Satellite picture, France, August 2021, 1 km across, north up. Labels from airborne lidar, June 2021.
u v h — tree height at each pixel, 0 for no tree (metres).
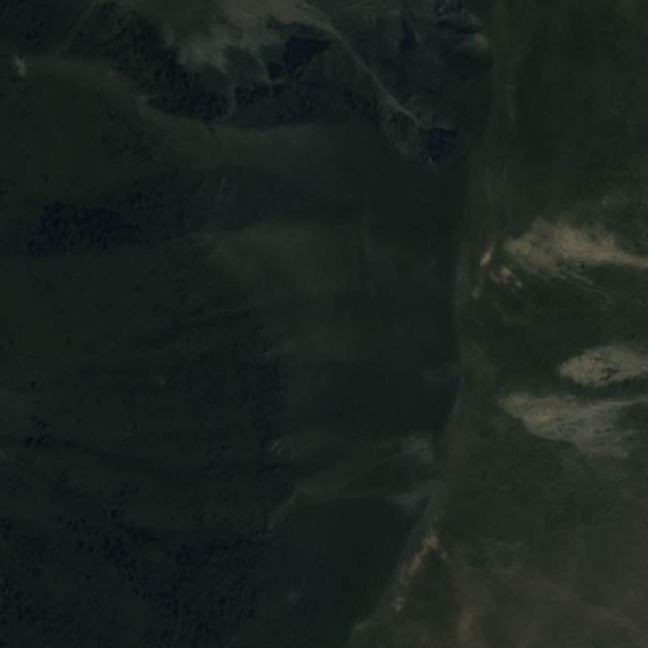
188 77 8
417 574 0
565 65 0
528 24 0
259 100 0
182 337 0
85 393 0
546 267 0
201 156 0
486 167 0
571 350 0
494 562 0
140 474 0
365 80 0
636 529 0
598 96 0
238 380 0
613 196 0
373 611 0
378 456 0
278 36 0
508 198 0
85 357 0
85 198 0
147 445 0
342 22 0
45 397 0
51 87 0
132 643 0
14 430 0
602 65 0
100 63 0
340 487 0
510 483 0
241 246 0
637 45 0
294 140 0
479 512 0
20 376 0
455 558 0
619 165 0
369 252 0
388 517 0
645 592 0
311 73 0
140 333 0
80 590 0
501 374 0
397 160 0
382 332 0
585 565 0
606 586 0
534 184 0
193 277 0
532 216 0
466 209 0
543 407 0
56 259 0
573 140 0
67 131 0
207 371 0
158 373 0
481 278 0
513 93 0
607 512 0
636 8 0
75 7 0
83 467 0
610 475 0
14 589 11
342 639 0
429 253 0
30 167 0
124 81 0
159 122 0
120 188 0
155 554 0
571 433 0
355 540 0
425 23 0
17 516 0
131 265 0
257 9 0
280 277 0
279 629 0
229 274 0
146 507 0
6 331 0
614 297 0
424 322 0
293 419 0
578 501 0
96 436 0
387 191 0
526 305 0
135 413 0
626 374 0
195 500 0
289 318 0
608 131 0
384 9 0
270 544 0
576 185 0
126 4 0
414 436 0
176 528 0
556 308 0
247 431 0
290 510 0
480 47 0
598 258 0
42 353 0
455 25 0
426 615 0
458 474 0
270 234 0
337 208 0
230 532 0
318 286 0
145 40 10
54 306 0
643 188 0
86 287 0
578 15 0
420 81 0
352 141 0
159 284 0
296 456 0
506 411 0
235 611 0
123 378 0
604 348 0
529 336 0
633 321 0
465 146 0
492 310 0
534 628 0
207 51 0
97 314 0
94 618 0
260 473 0
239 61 0
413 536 0
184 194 0
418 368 0
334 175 0
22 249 0
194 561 7
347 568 0
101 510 0
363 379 0
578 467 0
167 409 0
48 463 0
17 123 0
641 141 0
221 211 0
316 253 0
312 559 0
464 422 0
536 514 0
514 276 0
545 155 0
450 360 0
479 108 0
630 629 0
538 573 0
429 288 0
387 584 0
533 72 0
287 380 0
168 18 0
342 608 0
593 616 0
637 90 0
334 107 0
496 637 0
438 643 0
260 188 0
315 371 0
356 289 0
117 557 10
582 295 0
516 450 0
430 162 0
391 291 0
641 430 0
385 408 0
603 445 0
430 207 0
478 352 0
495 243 0
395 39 0
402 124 0
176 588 6
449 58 0
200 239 0
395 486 0
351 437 0
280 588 0
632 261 0
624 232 0
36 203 0
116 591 0
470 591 0
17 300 0
